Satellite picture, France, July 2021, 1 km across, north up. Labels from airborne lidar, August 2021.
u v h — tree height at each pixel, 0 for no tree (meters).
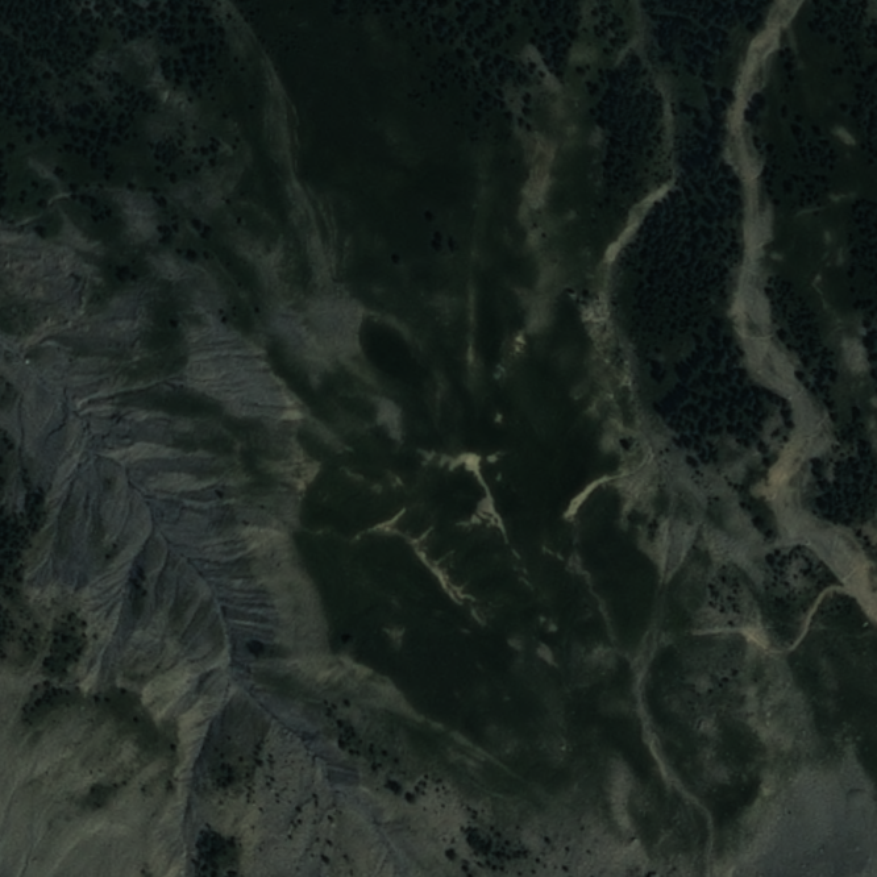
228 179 0
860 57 10
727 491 0
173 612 0
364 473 0
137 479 0
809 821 0
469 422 0
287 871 0
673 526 0
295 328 0
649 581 0
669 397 0
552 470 0
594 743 0
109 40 0
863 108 15
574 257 0
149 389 0
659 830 0
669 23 12
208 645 0
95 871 0
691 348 0
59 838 0
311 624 0
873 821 0
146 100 9
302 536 0
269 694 0
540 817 0
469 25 11
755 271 0
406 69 0
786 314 6
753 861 0
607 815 0
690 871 0
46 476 0
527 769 0
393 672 0
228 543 0
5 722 0
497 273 0
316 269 0
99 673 0
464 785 0
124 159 0
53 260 0
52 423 0
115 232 0
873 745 0
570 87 0
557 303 0
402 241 0
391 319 0
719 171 22
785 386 0
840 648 0
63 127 13
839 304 0
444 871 0
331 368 0
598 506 0
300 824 6
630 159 15
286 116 0
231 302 0
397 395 0
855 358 0
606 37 8
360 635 0
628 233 0
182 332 0
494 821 0
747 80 0
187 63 10
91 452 0
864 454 13
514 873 0
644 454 0
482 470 0
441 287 0
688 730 0
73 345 0
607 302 0
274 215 0
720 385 18
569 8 19
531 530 0
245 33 0
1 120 0
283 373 0
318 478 0
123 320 0
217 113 0
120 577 0
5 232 0
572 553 0
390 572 0
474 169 0
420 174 0
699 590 0
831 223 0
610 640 0
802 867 0
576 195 0
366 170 0
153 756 0
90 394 0
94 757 0
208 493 0
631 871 0
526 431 0
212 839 10
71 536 0
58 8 9
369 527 0
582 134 0
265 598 0
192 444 0
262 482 0
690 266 16
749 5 25
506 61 13
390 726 0
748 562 0
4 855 0
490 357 0
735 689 0
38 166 0
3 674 0
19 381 0
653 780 0
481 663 0
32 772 0
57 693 10
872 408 0
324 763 0
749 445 11
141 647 0
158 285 0
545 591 0
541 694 0
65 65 10
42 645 0
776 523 0
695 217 18
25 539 6
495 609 0
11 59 10
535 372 0
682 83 0
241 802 0
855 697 0
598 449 0
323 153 0
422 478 0
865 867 0
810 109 0
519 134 0
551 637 0
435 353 0
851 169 0
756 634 0
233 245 0
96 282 0
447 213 0
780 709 0
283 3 0
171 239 15
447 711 0
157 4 15
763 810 0
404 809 0
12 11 9
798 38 0
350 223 0
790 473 0
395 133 0
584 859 0
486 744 0
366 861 0
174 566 0
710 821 0
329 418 0
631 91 14
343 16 14
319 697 0
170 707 0
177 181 14
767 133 0
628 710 0
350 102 0
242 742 0
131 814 0
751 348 0
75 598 0
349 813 0
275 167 0
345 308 0
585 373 0
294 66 0
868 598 0
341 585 0
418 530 0
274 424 0
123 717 0
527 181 0
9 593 12
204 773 0
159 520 0
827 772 0
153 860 0
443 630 0
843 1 22
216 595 0
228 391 0
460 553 0
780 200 9
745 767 0
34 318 0
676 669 0
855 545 0
